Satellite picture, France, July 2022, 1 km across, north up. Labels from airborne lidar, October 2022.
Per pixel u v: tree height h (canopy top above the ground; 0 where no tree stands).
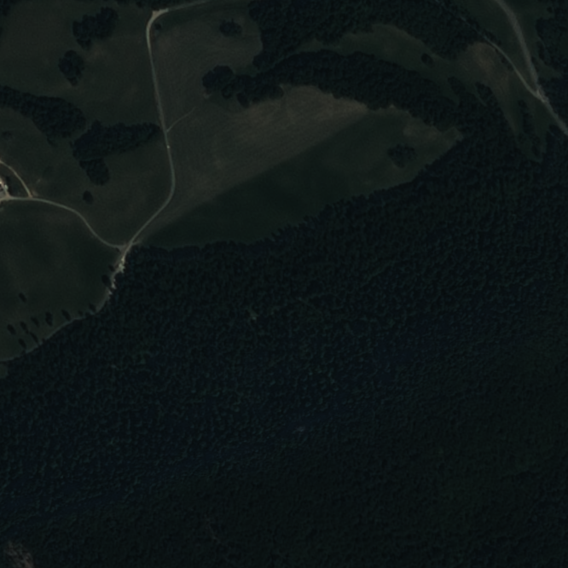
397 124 0
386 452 23
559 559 11
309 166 0
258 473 15
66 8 0
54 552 30
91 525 20
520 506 30
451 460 21
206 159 0
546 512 30
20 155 0
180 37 0
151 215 0
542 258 26
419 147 0
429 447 24
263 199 0
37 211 0
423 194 25
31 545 21
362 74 27
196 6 0
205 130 0
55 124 21
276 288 14
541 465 25
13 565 8
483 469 20
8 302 0
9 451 20
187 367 16
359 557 15
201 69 0
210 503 23
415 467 20
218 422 35
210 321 31
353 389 29
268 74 23
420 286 24
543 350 18
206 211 0
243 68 0
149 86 0
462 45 33
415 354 28
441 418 27
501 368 18
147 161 0
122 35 0
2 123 0
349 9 14
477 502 16
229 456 23
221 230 0
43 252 0
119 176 0
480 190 18
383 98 18
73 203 0
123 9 0
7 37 0
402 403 16
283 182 0
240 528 21
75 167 0
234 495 23
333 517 23
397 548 7
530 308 24
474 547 7
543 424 25
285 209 0
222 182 0
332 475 21
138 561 25
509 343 12
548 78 0
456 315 35
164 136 0
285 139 0
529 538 32
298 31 25
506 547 26
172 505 18
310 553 15
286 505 20
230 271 25
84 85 0
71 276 0
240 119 0
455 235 30
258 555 26
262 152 0
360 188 0
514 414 18
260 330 16
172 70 0
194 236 0
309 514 21
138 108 0
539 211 36
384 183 0
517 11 0
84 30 16
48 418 19
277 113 0
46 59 0
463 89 10
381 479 18
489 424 22
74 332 17
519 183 24
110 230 0
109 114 0
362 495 24
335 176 0
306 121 0
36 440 23
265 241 0
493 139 27
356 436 20
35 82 0
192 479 23
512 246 31
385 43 0
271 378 29
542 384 18
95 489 25
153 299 23
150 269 34
